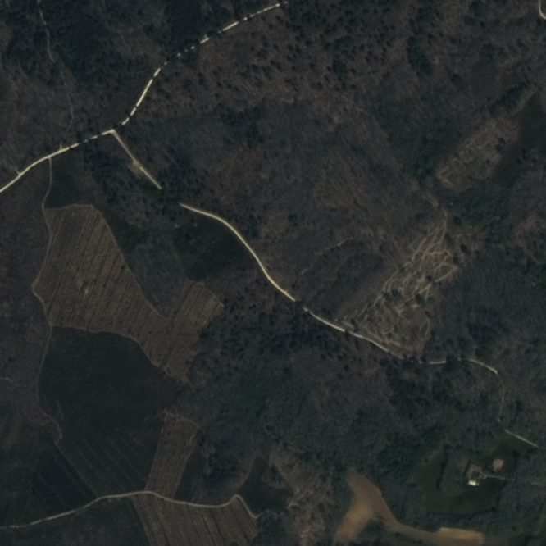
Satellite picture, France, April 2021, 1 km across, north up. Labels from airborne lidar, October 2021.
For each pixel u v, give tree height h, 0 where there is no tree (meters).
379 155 21
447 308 21
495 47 12
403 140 22
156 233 13
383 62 9
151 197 13
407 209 19
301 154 20
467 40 12
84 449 0
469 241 20
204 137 20
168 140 16
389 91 18
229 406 19
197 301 0
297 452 11
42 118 16
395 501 19
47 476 7
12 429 6
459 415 27
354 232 14
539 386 8
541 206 13
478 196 11
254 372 9
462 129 10
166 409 8
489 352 23
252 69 10
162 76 13
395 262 18
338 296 17
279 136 16
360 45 7
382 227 19
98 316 0
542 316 22
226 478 15
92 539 0
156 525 0
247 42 8
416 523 11
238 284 9
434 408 20
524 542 0
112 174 17
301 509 19
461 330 17
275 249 14
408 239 22
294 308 10
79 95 14
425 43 9
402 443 23
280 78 13
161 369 9
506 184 6
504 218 16
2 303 15
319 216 9
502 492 14
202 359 9
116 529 0
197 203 9
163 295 22
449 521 7
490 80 0
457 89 23
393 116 20
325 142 14
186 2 15
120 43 15
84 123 16
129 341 9
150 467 0
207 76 8
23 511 6
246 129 15
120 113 6
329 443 19
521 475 23
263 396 10
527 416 16
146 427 0
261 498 6
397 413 19
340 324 9
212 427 10
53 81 14
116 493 0
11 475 8
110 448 0
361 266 14
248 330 12
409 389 23
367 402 19
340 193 17
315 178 15
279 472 20
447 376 17
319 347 16
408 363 15
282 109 11
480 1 18
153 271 21
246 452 16
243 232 6
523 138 7
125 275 0
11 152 17
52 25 24
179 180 17
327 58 9
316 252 12
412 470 17
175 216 18
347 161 19
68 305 0
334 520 18
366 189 18
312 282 9
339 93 19
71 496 6
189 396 14
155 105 12
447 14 16
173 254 22
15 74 12
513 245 24
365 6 20
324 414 19
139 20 19
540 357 18
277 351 13
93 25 24
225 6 17
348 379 10
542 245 19
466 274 21
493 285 23
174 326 0
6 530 7
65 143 14
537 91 9
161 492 0
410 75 18
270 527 15
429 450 20
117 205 20
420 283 0
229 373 13
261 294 8
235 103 10
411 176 18
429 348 7
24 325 7
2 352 7
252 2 15
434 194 14
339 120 19
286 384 14
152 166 15
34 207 7
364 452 19
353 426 12
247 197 7
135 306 0
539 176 15
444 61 24
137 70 14
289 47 9
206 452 11
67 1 17
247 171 6
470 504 0
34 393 7
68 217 0
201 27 12
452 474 21
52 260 0
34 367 8
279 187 12
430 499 0
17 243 7
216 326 10
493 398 20
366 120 21
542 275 25
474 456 12
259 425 18
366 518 0
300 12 9
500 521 21
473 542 0
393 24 7
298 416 11
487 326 18
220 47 6
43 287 0
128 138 11
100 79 11
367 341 12
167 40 12
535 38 18
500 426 20
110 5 16
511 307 22
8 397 10
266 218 11
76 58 18
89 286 9
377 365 16
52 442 6
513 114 11
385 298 15
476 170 20
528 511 22
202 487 12
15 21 15
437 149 10
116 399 0
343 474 22
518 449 0
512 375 22
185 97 14
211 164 15
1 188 14
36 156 11
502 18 15
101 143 10
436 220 23
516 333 23
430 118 21
